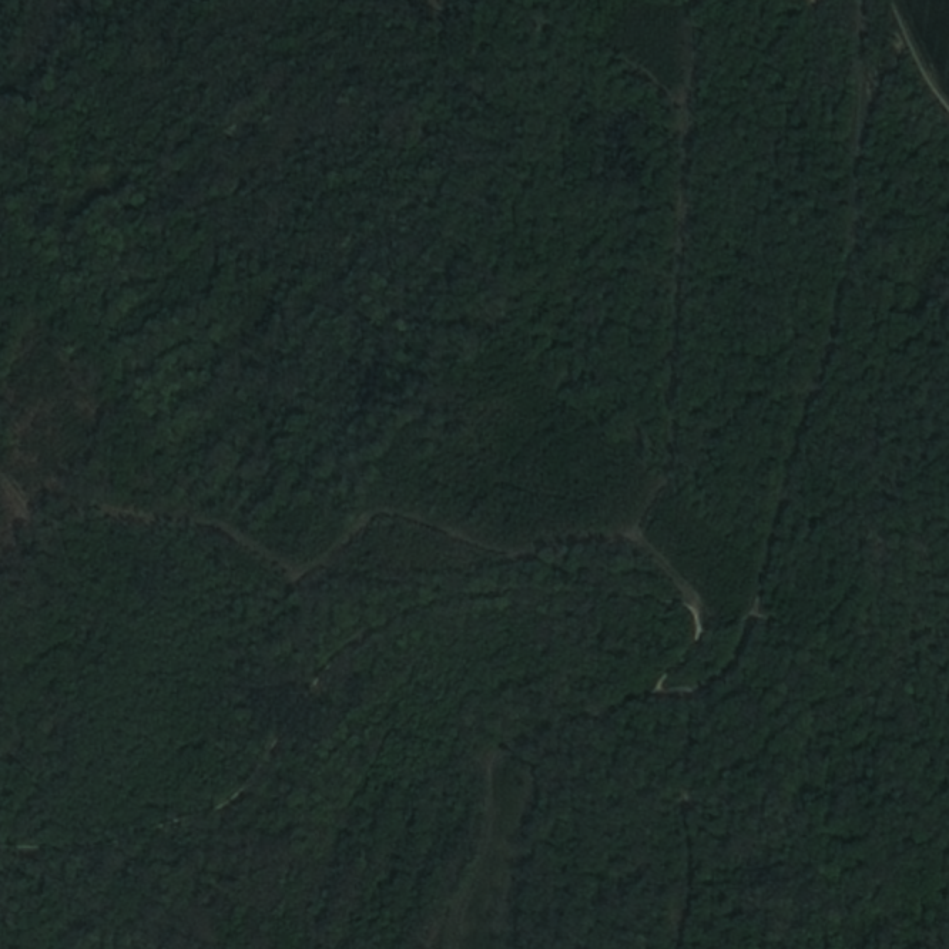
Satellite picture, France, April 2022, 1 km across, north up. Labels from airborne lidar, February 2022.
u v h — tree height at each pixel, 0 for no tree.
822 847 28
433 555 13
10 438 25
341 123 22
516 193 22
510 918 7
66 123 18
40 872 27
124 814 19
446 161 26
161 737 22
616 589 24
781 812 28
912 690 31
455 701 19
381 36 26
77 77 23
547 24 28
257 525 20
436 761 19
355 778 26
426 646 20
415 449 13
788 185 26
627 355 22
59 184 21
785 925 29
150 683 22
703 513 23
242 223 26
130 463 22
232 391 24
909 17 0
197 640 21
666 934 25
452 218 30
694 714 21
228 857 23
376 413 23
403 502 8
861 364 27
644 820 27
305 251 25
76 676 24
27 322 25
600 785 24
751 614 0
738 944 26
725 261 20
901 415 27
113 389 25
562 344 11
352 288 25
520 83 26
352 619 26
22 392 7
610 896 27
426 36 24
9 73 17
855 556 23
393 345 23
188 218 21
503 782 0
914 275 30
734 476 26
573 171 22
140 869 21
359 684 26
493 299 28
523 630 16
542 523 10
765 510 25
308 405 26
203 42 20
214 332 25
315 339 26
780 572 24
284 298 22
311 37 25
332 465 30
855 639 20
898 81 21
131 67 23
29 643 25
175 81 20
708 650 21
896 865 26
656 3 19
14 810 20
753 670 21
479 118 15
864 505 24
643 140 23
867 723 32
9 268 23
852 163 14
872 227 20
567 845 20
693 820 26
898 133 19
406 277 20
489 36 21
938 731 22
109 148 20
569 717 15
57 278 22
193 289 15
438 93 18
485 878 0
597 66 26
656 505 7
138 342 26
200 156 24
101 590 22
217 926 23
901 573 25
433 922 28
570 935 26
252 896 28
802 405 22
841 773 26
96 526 23
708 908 28
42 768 28
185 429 30
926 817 28
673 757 22
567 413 12
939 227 25
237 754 21
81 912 27
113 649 25
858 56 15
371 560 12
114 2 20
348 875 27
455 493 9
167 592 18
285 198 25
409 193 22
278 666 25
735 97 23
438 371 31
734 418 17
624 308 22
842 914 26
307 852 32
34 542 25
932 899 24
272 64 23
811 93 25
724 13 18
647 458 22
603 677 22
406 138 23
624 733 22
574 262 23
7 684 29
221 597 21
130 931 26
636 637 23
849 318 24
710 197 25
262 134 21
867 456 28
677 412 22
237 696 22
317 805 29
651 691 0
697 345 23
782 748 25
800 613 24
